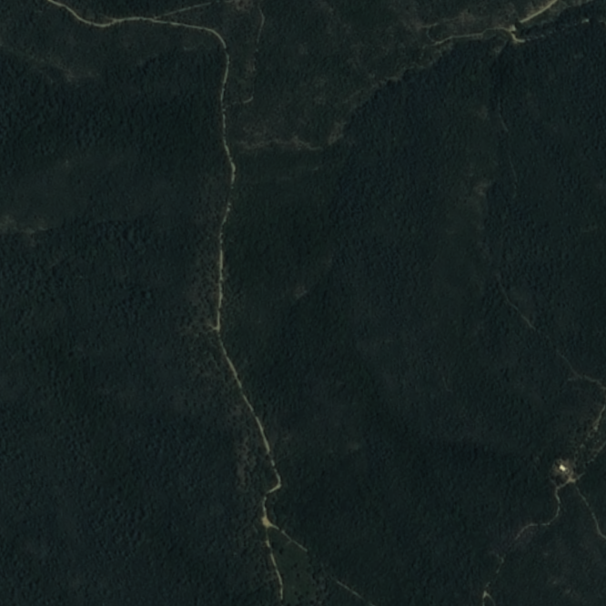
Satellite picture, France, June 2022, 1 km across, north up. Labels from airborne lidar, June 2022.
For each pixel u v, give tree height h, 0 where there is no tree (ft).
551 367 20
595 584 28
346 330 21
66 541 33
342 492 28
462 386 35
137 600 25
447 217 29
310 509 34
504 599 31
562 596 35
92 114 42
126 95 21
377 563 19
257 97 19
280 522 32
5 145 55
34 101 37
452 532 22
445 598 19
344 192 49
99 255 20
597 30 35
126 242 25
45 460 25
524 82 32
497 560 33
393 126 36
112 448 46
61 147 24
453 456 21
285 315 34
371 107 25
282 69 23
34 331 53
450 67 46
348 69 24
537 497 23
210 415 20
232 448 22
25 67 23
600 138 25
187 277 27
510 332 37
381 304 22
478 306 21
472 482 23
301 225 50
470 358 26
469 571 19
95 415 54
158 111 58
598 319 27
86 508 29
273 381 20
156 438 46
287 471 33
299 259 43
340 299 30
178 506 19
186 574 23
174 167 23
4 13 29
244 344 21
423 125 35
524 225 22
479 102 18
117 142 22
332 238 22
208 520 19
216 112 23
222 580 20
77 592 31
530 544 22
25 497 31
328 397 24
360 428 31
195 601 21
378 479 19
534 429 33
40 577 39
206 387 21
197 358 29
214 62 39
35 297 57
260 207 30
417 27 0
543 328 33
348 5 24
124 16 19
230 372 22
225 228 24
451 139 18
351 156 24
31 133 40
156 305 19
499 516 27
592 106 40
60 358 52
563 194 27
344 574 29
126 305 58
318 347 22
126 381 22
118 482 47
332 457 40
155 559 22
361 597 19
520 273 21
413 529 22
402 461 18
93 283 51
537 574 20
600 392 24
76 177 28
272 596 29
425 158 31
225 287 23
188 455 34
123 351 32
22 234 21
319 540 21
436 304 31
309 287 19
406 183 35
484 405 32
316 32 31
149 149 33
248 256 54
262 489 31
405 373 26
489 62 29
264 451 21
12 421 31
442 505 24
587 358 19
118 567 20
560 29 45
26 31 21
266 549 30
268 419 26
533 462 33
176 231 24
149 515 46
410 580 21
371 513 42
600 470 25
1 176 30
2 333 32
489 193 20
